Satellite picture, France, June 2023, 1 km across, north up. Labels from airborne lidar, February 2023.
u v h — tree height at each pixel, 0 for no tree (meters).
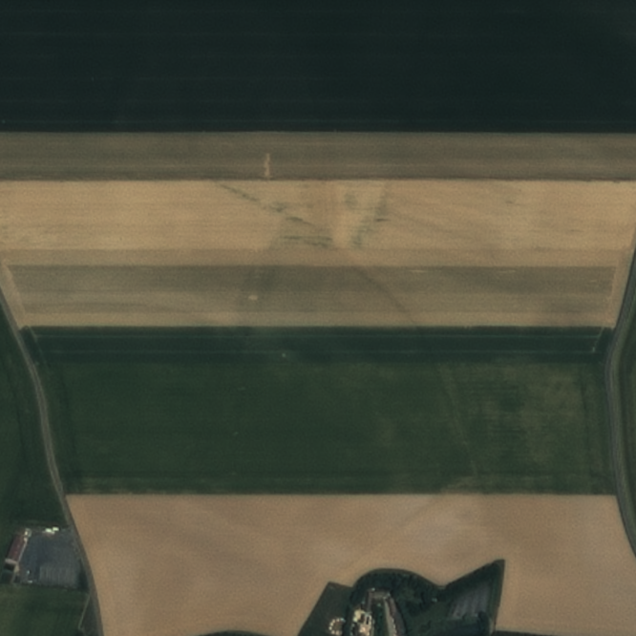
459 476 0
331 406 0
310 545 0
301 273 0
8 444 0
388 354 0
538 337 0
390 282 0
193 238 0
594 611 0
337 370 0
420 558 0
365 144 0
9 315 0
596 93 0
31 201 0
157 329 0
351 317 0
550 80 0
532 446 0
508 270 0
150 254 0
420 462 0
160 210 0
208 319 0
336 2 0
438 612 0
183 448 0
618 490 0
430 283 0
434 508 0
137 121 0
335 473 0
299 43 0
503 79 0
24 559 0
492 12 0
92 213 0
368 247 0
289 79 0
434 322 0
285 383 0
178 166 0
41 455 0
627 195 0
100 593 0
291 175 0
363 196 0
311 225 0
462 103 0
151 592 0
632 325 0
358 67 0
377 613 11
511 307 0
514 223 0
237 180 0
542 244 0
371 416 0
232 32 0
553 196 0
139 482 0
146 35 0
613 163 0
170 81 0
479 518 0
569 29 0
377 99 0
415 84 0
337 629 0
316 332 0
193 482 0
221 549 0
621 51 0
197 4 0
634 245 0
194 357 0
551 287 0
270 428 0
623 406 0
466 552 0
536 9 0
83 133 0
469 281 0
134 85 0
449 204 0
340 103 0
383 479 0
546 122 0
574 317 0
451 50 0
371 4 0
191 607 0
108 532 0
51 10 0
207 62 0
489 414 0
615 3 0
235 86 0
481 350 0
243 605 0
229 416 0
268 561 0
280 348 0
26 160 0
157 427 0
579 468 0
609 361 0
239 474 0
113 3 0
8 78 0
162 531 0
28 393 0
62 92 0
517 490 0
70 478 0
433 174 0
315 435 0
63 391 0
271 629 0
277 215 0
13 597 0
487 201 0
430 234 0
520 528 0
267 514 0
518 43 0
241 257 0
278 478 0
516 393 0
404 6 0
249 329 0
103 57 0
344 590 0
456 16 0
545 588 0
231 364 0
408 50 0
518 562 0
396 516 0
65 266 0
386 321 0
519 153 0
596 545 0
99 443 0
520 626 0
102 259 0
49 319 0
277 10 0
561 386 0
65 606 0
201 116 0
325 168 0
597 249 0
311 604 0
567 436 0
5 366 0
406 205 0
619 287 0
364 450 0
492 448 0
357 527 0
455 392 0
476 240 0
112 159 0
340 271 0
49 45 0
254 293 0
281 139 0
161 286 0
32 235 0
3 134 0
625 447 0
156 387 0
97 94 0
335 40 0
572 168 0
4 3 0
